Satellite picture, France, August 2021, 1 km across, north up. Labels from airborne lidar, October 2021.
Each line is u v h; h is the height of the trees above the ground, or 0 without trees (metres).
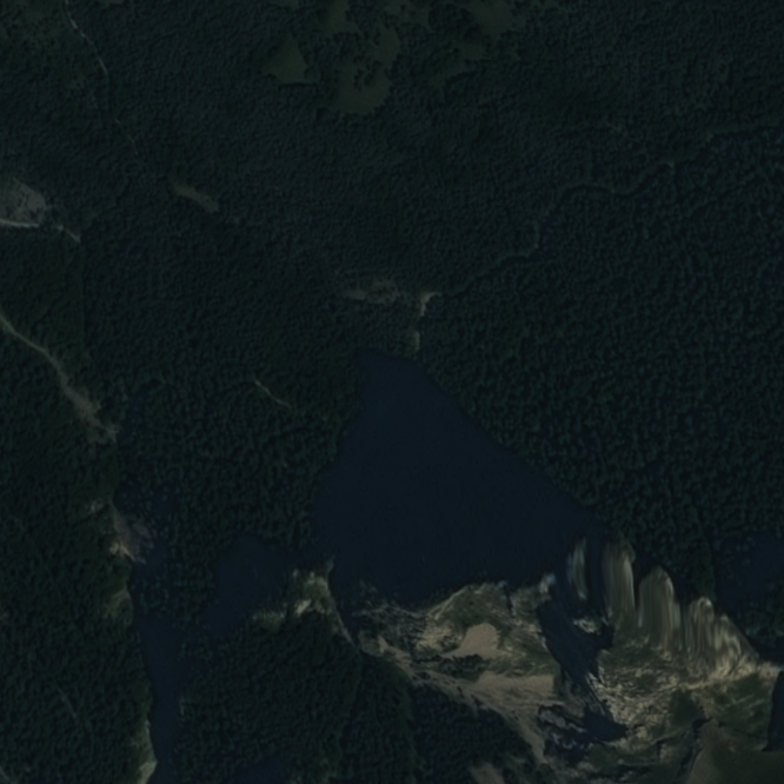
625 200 19
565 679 0
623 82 20
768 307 29
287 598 11
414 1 13
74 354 7
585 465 28
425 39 9
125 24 12
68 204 12
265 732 12
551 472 19
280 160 20
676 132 16
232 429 26
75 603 14
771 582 8
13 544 15
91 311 19
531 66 15
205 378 26
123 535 0
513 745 16
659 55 20
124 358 28
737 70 17
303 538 28
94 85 6
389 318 14
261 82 19
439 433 12
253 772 15
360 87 6
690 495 23
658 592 13
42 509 18
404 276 20
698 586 16
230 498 22
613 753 0
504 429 22
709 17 19
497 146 17
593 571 7
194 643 15
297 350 27
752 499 23
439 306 11
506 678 0
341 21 0
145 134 11
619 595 9
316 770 10
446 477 32
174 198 22
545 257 14
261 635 15
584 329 18
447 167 19
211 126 14
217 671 25
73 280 27
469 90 19
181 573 21
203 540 22
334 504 26
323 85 11
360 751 11
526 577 9
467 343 20
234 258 24
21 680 25
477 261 19
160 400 20
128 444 17
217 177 15
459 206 19
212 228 27
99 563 15
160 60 17
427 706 15
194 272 27
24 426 23
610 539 12
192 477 32
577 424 28
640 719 0
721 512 30
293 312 22
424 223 22
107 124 15
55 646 8
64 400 14
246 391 14
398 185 20
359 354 21
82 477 17
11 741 12
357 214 21
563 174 15
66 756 25
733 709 0
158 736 0
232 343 29
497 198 10
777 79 23
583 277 29
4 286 18
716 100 15
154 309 17
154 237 17
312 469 28
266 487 10
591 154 19
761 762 0
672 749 0
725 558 20
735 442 34
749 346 24
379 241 31
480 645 0
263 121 20
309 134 18
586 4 12
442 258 15
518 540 10
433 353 18
